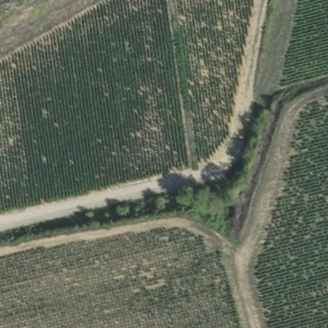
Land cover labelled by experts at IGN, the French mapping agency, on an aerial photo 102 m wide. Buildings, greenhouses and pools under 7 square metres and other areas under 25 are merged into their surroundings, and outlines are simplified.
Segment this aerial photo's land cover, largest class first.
<instances>
[{"label":"vineyard","instance_id":"1","mask_svg":"<svg viewBox=\"0 0 328 328\"><path fill-rule=\"evenodd\" d=\"M254 0H110L109 3L102 4L82 18L74 20L72 29L60 28L53 35L46 36L44 44L36 42L32 47L14 54L12 59L0 63V214L45 202L87 195L88 192L105 190L114 184L150 177L155 174L164 176L168 172L182 176L183 169L196 170L200 160L210 158L227 137L234 95L238 86L237 70L245 53L243 46L246 44ZM296 26L292 29L290 46L284 58L281 86L305 85L306 82L328 77V0H299L295 12ZM318 101L307 104L296 120L295 128L299 129V133L292 135L290 142L292 149L296 150V155L291 156L290 167L283 173L286 187L283 196L277 197L275 208L270 210L272 220L266 227L268 234L263 243V252L259 255L252 254L249 261L247 274L250 291L254 297L261 328H328V95L320 96L316 99ZM191 224L190 220L150 219L109 229L59 234L20 242L14 246H0V328H241L232 288L222 264V251H206L202 237L187 231L186 228Z\"/></svg>","mask_w":328,"mask_h":328},{"label":"herbaceous vegetation","instance_id":"2","mask_svg":"<svg viewBox=\"0 0 328 328\"><path fill-rule=\"evenodd\" d=\"M110 0H56L54 5L50 6H47V3H38L35 8L28 6L22 14L0 28V63L12 59L14 54L32 47L36 42L44 44L46 36L53 35L60 28L72 29L74 20L82 18L102 4L109 3ZM299 0H281L275 13L270 41L265 40L264 32L261 31L254 78V101L247 111L250 120L238 129L243 135L240 154L231 161L222 178L206 182H196L193 179L188 186L199 192L210 188V192L218 197L223 200L225 193L232 190L237 179L241 178L247 165V146L252 137L258 136L254 126H258L259 115L263 110L270 109L273 101L277 102V109L270 123L268 135L261 138L264 145L263 150L259 152L260 159L254 165V174L245 184L246 190L238 192L236 204L229 206L228 214L224 215L223 222L227 232L223 236L208 224H202L200 219L190 220L191 224L186 228L187 231L202 237L206 251H222V264L232 288L241 328H261L254 297L250 291L247 274L249 261L252 254L259 255L263 252V243L268 234L266 227L272 220L270 210L275 208L277 197L283 196L286 187L283 173L290 167L291 156L296 155V150L292 149L290 142L292 135L299 133V129L295 128L296 120L307 104L318 101L316 99L320 96L328 95V77L306 82L305 85L281 86L284 58L290 46L292 29L296 26L295 12Z\"/></svg>","mask_w":328,"mask_h":328},{"label":"brushwood","instance_id":"3","mask_svg":"<svg viewBox=\"0 0 328 328\"><path fill-rule=\"evenodd\" d=\"M56 0H0V28L22 14L28 6L35 8L38 3H47V6H50L54 5ZM281 0H268L261 31L264 32L265 40L270 41L275 13ZM277 102L273 101L270 109L263 110L259 115L258 126H254L258 136L252 137L247 146V165L241 178L237 179L232 190L225 193L223 200L218 197L210 206L206 205V210L193 205L178 204L177 197L186 195V187L179 184L172 191L161 192L145 190L141 199H109L102 208H82L69 217L45 220L0 232V246H14L20 242L59 234L109 229L150 219L190 220L200 219L202 224H208L223 236L227 232L223 222L224 215L228 214L229 206L236 204L238 192L246 190L245 184L254 174V165L260 159L259 152L263 150L264 145L261 138L268 135L270 123L277 109Z\"/></svg>","mask_w":328,"mask_h":328},{"label":"pervious surface","instance_id":"4","mask_svg":"<svg viewBox=\"0 0 328 328\"><path fill-rule=\"evenodd\" d=\"M268 0H254L246 44L243 46L245 53L237 70L238 86L234 95L227 137L210 158L200 160L196 170L183 169L182 176L168 172L164 176L155 174L150 177L152 181L159 183L161 192L172 191L179 184L186 187L188 186L193 179L196 182H206L222 178L231 161L240 154L243 135L238 129L250 120L247 111L254 101V78L261 31Z\"/></svg>","mask_w":328,"mask_h":328},{"label":"impervious surface","instance_id":"5","mask_svg":"<svg viewBox=\"0 0 328 328\"><path fill-rule=\"evenodd\" d=\"M145 190L161 192L159 183L152 181L150 177L114 184L105 190L88 192L87 195L45 202L0 214V232L45 220L69 217L82 208H102L109 199H141Z\"/></svg>","mask_w":328,"mask_h":328},{"label":"deciduous trees","instance_id":"6","mask_svg":"<svg viewBox=\"0 0 328 328\"><path fill-rule=\"evenodd\" d=\"M218 197L210 192V188L199 192L188 186L186 187V195L177 197L178 204L193 205L206 210V205L210 206Z\"/></svg>","mask_w":328,"mask_h":328}]
</instances>
